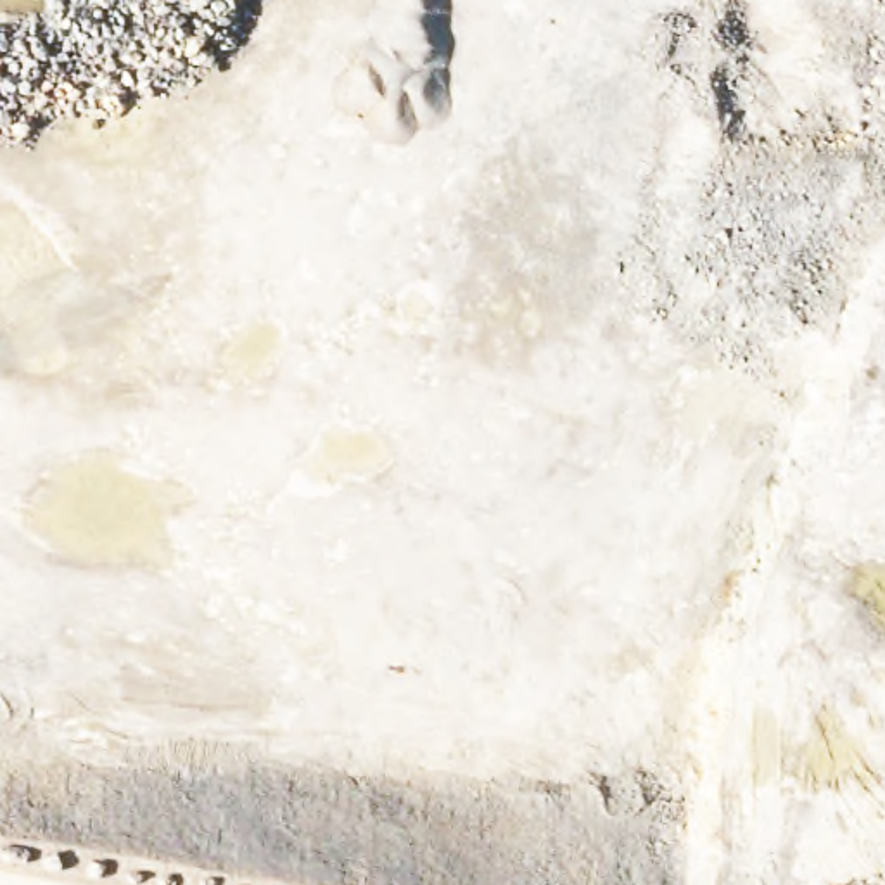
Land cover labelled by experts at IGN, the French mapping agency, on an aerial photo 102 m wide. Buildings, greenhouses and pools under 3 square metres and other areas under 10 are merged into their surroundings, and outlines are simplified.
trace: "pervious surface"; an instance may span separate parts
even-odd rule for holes
[[[0,885],[885,885],[885,0],[0,0]]]

